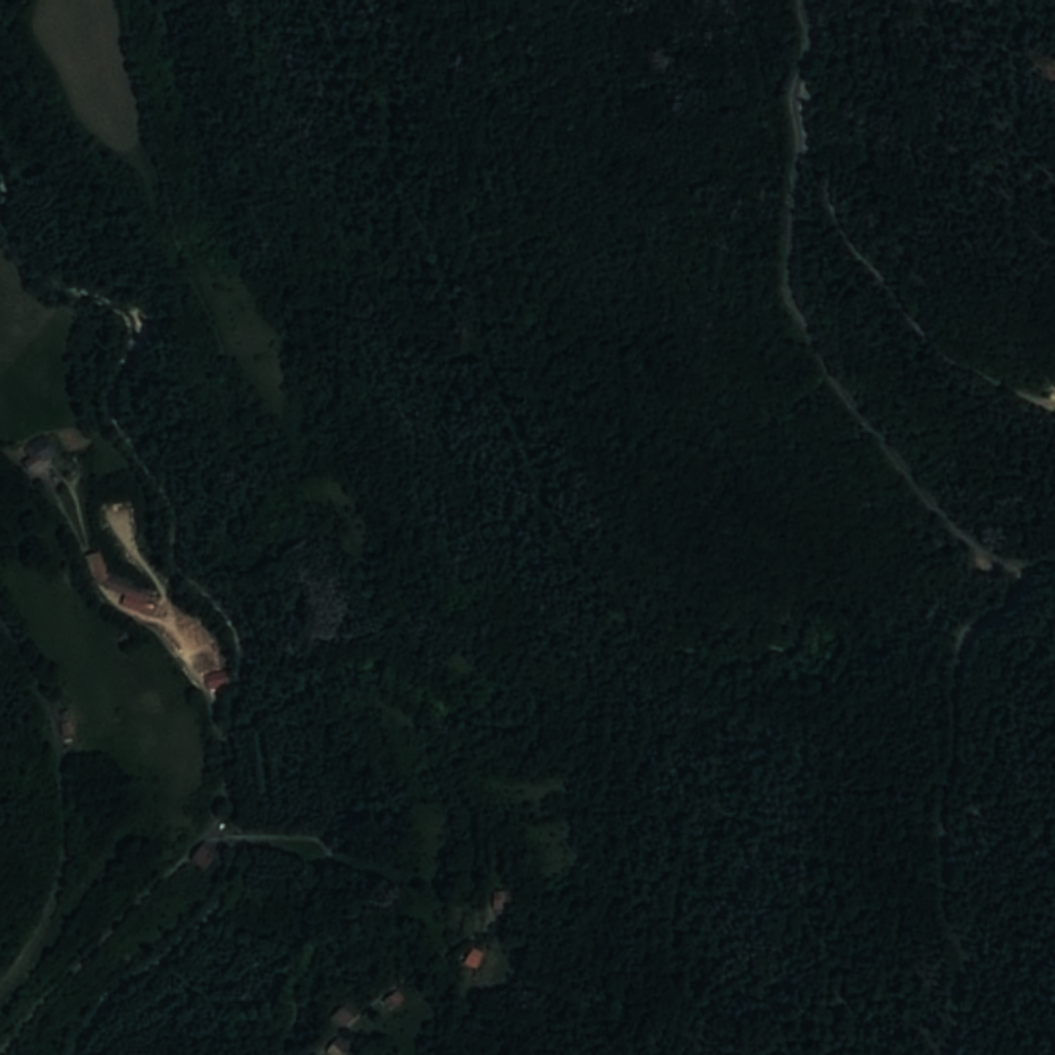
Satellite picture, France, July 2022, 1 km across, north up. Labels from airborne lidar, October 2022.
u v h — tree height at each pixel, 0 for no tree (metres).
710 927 31
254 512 17
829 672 32
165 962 7
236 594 12
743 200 19
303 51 28
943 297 20
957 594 18
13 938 14
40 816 25
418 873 15
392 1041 9
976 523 12
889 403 13
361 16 30
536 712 24
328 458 19
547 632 8
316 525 13
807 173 18
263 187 21
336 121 15
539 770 22
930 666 19
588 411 23
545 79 21
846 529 20
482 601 23
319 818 23
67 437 0
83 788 23
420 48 29
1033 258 23
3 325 0
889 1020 15
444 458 14
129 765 0
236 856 21
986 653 19
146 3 8
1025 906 26
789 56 30
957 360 19
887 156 22
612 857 26
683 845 31
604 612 16
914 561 21
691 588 15
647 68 25
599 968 31
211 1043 24
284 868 25
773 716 30
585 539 16
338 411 26
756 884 32
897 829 24
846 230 16
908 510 16
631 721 26
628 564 18
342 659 29
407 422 27
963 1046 21
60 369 0
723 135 17
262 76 13
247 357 0
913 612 23
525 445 8
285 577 9
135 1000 22
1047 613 21
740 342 14
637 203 8
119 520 0
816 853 25
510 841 13
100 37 0
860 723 24
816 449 15
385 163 8
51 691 21
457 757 12
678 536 18
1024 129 19
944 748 25
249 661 9
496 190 15
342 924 18
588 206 17
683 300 16
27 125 19
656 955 31
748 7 24
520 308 12
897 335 20
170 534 13
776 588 17
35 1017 9
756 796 23
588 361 26
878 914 26
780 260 20
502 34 24
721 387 15
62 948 17
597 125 17
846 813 25
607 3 20
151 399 32
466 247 23
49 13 0
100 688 0
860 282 10
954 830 19
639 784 25
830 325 11
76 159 15
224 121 19
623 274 14
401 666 30
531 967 29
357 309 23
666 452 22
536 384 20
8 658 26
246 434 11
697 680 32
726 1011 39
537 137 24
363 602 24
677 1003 38
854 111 26
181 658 0
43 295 18
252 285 12
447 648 21
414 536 14
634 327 24
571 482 30
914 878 22
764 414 18
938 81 24
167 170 16
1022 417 23
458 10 14
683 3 24
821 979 31
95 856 22
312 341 19
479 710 14
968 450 18
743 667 27
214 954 24
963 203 17
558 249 16
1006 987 21
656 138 17
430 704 26
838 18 22
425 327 14
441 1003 13
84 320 15
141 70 17
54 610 0
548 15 18
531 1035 22
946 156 24
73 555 14
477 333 10
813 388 19
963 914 21
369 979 25
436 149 19
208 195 14
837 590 23
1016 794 24
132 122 0
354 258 16
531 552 34
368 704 14
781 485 19
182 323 19
